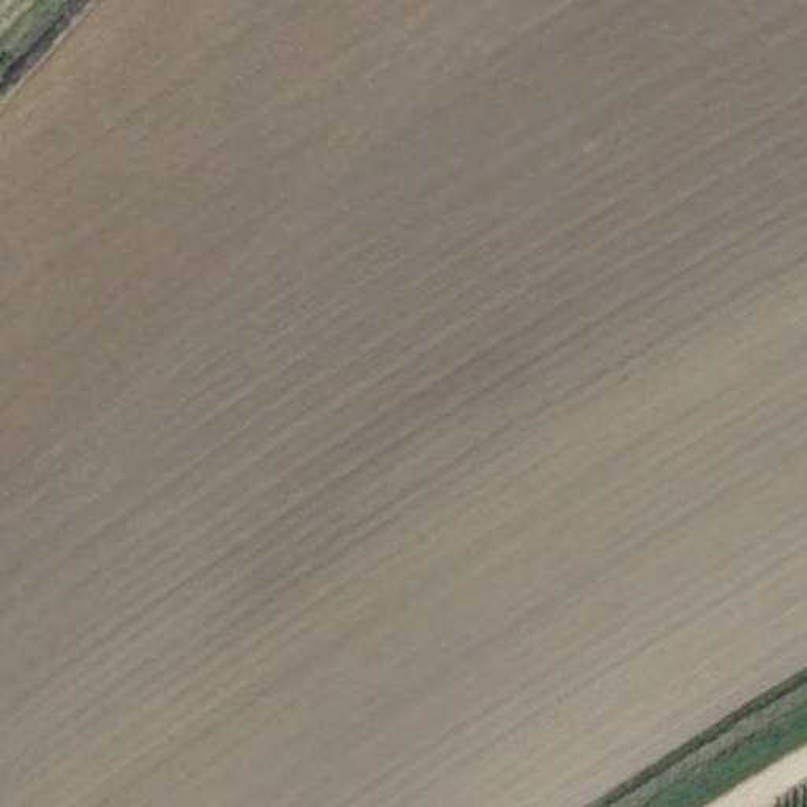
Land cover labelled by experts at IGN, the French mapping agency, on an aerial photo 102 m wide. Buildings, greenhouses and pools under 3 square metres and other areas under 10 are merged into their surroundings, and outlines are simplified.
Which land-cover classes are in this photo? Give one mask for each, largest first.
<instances>
[{"label":"plowed land","instance_id":"1","mask_svg":"<svg viewBox=\"0 0 807 807\"><path fill-rule=\"evenodd\" d=\"M807 668V0H88L82 13L73 16L69 25L54 38V44L0 98V807H589L621 782L634 779L656 760H662L668 750L681 747L694 734L706 731L728 712H734L738 706L750 703L753 697L772 690L775 684Z\"/></svg>","mask_w":807,"mask_h":807},{"label":"herbaceous vegetation","instance_id":"2","mask_svg":"<svg viewBox=\"0 0 807 807\"><path fill-rule=\"evenodd\" d=\"M88 0H35L32 9H25L0 35V98L54 44V38L69 25L73 16L82 13ZM807 744V668L775 684L772 690L753 697L750 703L738 706L734 712H728L706 731L694 734L681 747L668 750L662 760H656L634 779L621 782L589 807H706L731 788H738L741 782H747L750 775L763 772L766 766L779 763L782 757Z\"/></svg>","mask_w":807,"mask_h":807},{"label":"pervious surface","instance_id":"3","mask_svg":"<svg viewBox=\"0 0 807 807\"><path fill-rule=\"evenodd\" d=\"M35 0H0V35L25 9H32ZM706 807H807V744L782 757L779 763L766 766L763 772L750 775L747 782H741L738 788H731Z\"/></svg>","mask_w":807,"mask_h":807}]
</instances>
